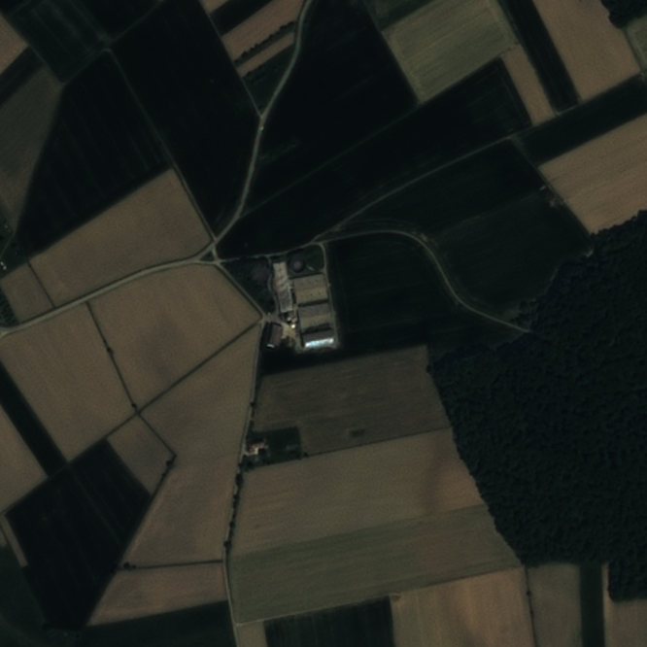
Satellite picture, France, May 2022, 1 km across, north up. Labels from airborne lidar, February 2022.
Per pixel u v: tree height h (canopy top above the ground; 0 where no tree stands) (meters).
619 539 29
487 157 0
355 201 0
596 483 29
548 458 29
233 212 0
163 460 0
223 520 0
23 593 0
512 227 0
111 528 0
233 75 0
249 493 0
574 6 0
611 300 32
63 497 0
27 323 0
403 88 0
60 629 0
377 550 0
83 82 0
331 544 0
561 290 23
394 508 0
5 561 0
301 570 0
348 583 0
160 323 0
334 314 0
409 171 0
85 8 0
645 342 30
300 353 0
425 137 0
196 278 0
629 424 33
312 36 0
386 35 0
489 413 29
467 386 30
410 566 0
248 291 0
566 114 0
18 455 0
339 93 0
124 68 0
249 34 0
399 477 0
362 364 0
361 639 0
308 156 0
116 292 0
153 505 0
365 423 0
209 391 0
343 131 0
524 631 0
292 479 0
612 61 0
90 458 0
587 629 0
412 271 0
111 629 0
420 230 0
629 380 27
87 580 0
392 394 0
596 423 31
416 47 0
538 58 0
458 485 0
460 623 0
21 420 0
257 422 0
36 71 0
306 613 0
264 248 0
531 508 28
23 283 0
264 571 0
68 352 0
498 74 0
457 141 0
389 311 0
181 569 0
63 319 0
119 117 0
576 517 20
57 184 0
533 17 0
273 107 0
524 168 0
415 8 0
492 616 0
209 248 0
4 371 0
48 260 0
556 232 0
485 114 0
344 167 0
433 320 0
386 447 0
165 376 0
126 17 0
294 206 0
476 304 0
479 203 0
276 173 0
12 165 0
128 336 0
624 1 20
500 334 0
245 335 0
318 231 0
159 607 0
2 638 0
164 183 0
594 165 0
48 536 0
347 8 0
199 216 0
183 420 0
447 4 0
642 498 29
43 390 0
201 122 0
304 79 0
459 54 0
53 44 0
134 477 0
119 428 0
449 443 0
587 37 0
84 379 0
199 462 0
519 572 0
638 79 0
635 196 0
